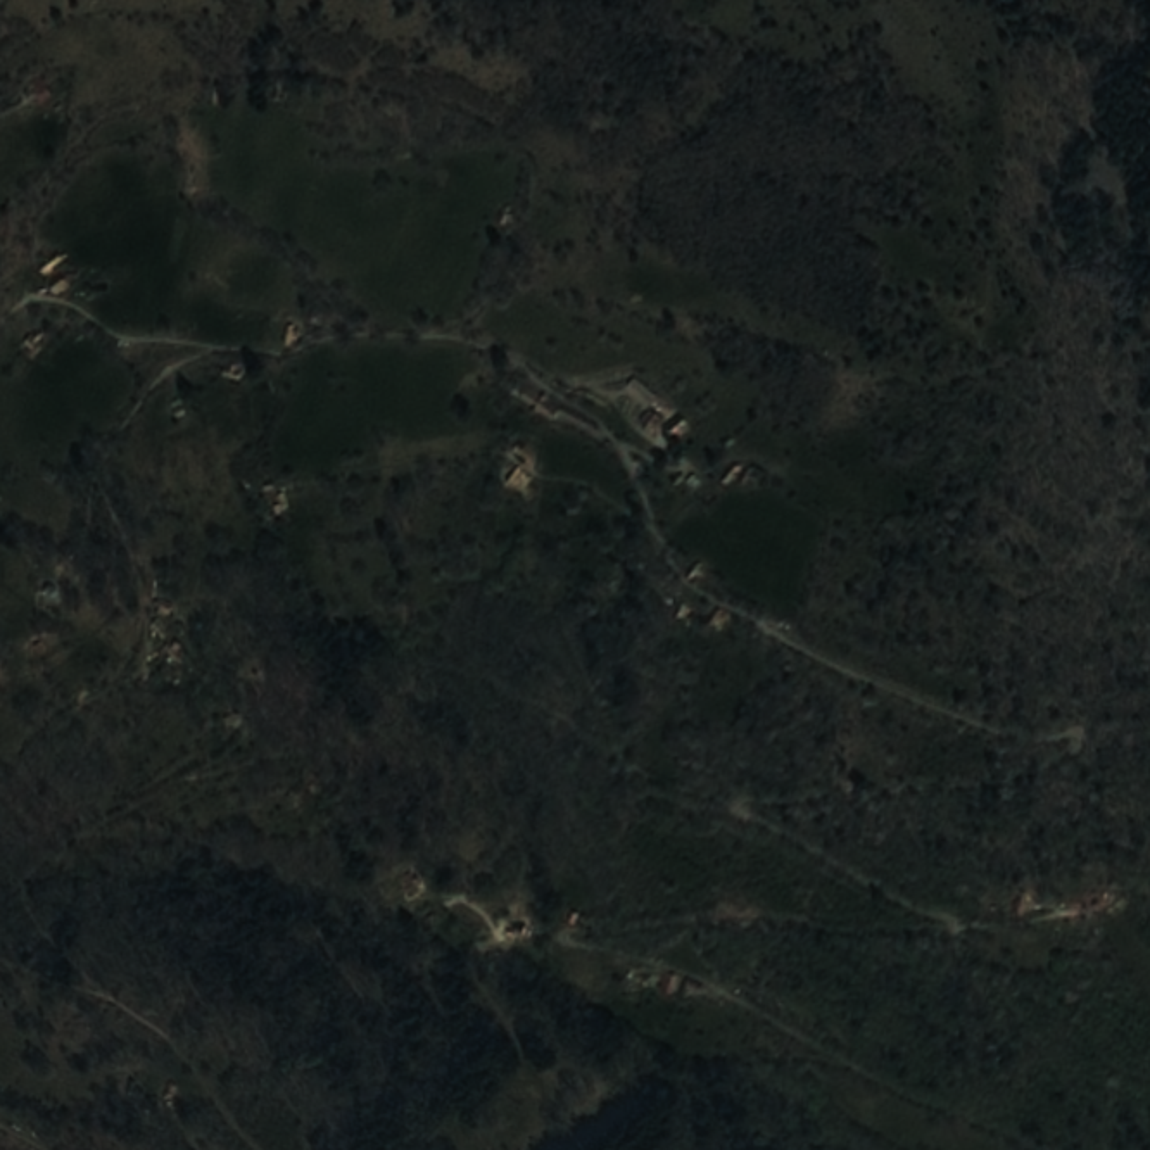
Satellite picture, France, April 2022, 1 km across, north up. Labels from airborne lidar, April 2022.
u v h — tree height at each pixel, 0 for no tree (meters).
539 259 7
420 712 26
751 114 15
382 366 0
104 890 25
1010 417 10
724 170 16
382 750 30
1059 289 13
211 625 21
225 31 9
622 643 26
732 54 9
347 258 0
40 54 0
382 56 8
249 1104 9
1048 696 7
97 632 0
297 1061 32
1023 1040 21
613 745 13
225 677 8
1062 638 9
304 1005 27
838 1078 9
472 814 18
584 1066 25
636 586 24
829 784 18
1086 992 14
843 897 11
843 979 23
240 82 11
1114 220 24
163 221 0
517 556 11
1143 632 16
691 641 6
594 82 8
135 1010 0
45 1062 21
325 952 23
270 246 15
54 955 20
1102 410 16
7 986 18
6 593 0
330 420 0
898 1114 0
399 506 22
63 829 23
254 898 32
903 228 12
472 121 14
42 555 19
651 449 0
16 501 0
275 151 0
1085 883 12
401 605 13
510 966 22
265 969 30
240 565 20
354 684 24
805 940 20
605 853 25
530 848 23
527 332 0
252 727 18
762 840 17
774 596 0
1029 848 15
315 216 0
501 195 0
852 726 9
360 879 27
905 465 9
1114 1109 14
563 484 0
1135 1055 16
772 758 16
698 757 17
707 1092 19
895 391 11
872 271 14
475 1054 30
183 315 0
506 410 12
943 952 14
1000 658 11
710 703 0
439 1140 29
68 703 12
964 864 11
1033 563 14
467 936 19
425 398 0
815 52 0
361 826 24
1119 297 33
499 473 9
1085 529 8
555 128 17
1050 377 11
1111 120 36
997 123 0
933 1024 19
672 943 17
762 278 16
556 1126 21
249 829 29
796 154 13
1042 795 16
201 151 0
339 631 16
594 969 0
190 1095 0
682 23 10
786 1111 30
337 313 14
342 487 12
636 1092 9
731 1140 19
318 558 0
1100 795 13
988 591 8
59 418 0
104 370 0
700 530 0
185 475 0
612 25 16
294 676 29
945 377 13
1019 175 11
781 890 6
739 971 16
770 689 14
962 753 7
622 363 0
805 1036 11
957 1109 13
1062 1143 16
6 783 22
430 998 32
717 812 14
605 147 14
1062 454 12
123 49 0
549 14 16
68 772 25
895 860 17
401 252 0
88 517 7
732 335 14
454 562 17
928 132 13
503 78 0
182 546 12
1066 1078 14
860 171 13
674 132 8
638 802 22
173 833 23
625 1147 33
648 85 15
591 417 12
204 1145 11
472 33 18
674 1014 6
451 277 0
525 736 21
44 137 0
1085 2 18
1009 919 14
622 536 16
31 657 0
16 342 0
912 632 20
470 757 24
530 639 21
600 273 0
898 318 15
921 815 14
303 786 6
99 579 21
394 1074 23
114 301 0
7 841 21
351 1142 29
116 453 14
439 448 0
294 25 8
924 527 6
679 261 18
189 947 24
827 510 0
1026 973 7
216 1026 22
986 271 12
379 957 22
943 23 0
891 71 12
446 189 0
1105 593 11
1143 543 20
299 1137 6
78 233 0
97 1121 14
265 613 19
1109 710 11
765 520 0
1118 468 11
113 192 0
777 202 14
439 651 17
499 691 20
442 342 0
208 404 0
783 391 15
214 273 0
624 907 14
